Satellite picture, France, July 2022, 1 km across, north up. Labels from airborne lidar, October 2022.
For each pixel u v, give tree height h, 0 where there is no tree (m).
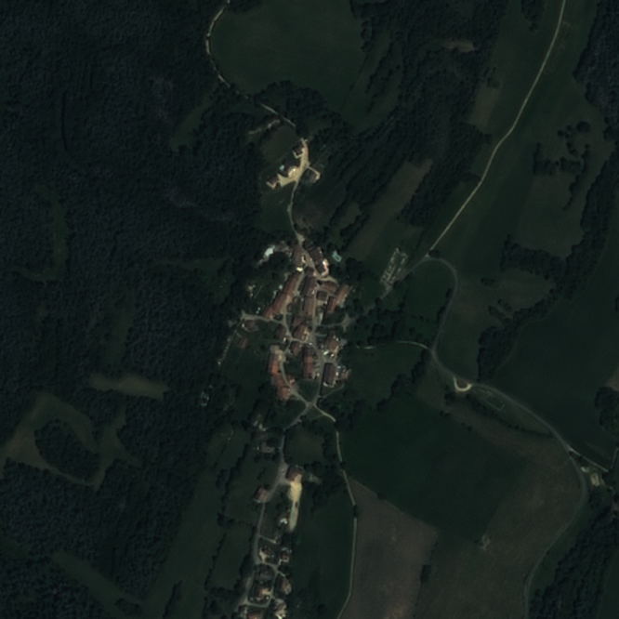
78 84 15
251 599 0
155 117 23
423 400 0
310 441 0
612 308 0
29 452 0
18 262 15
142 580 21
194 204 18
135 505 9
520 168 0
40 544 16
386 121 10
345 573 0
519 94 0
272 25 0
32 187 17
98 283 13
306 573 0
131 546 14
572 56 0
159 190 18
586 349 0
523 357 0
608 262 0
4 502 14
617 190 15
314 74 0
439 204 16
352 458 0
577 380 0
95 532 15
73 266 19
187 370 16
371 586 0
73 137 18
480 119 0
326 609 14
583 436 0
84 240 19
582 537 6
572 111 0
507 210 0
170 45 10
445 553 0
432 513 0
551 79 0
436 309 0
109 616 9
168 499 13
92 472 14
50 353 8
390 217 0
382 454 0
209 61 15
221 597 10
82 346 9
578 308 0
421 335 7
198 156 15
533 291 0
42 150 20
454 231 0
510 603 0
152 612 0
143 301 11
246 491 0
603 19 9
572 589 14
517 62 0
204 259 11
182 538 0
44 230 16
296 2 0
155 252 16
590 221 12
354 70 0
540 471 0
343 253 13
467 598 0
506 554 0
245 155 17
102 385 0
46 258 17
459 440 0
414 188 0
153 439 11
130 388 0
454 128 6
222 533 0
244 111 0
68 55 9
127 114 23
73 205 14
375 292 0
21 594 20
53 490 19
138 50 14
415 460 0
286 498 10
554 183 0
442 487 0
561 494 0
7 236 16
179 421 16
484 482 0
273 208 0
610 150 0
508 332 8
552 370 0
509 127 0
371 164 6
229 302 15
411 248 0
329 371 0
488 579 0
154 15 15
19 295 15
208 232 12
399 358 0
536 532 0
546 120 0
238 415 14
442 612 0
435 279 0
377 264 0
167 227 13
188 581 0
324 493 19
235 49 0
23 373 10
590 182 0
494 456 0
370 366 0
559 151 0
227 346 10
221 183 11
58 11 14
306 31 0
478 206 0
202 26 11
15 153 9
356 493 0
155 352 16
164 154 20
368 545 0
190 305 15
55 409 0
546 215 0
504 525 0
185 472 6
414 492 0
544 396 0
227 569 0
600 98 20
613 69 20
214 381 16
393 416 0
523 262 14
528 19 9
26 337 18
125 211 17
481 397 0
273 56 0
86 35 12
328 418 0
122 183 13
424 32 7
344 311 11
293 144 0
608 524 20
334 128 8
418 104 7
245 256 21
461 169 12
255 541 8
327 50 0
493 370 12
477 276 0
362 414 19
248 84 0
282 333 0
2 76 16
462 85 9
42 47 17
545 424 0
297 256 0
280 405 6
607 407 11
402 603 0
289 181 0
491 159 0
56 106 23
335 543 0
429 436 0
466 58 13
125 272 14
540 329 0
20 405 9
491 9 16
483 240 0
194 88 14
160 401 6
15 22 14
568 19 0
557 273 17
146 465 9
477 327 0
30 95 16
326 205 0
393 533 0
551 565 0
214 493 0
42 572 18
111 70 13
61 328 15
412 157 7
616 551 11
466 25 9
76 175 25
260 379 0
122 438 14
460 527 0
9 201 16
